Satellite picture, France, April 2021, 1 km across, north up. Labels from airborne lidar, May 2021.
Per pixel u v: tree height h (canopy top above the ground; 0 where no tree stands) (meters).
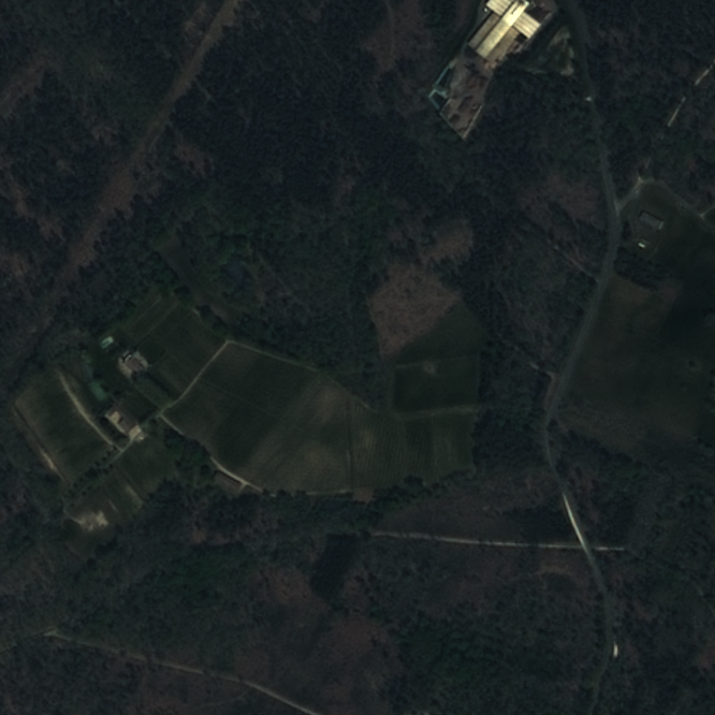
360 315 16
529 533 12
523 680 20
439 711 14
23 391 12
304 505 14
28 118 16
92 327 11
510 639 12
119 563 10
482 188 13
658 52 17
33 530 14
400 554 8
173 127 8
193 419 0
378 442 0
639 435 0
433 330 0
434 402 0
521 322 14
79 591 15
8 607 20
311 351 20
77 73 18
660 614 6
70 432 0
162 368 0
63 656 15
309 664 0
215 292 12
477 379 0
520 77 11
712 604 15
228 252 19
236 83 20
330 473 0
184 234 11
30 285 11
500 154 15
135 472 0
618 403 0
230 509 17
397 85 21
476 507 0
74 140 16
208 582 16
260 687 0
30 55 15
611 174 8
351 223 13
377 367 21
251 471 0
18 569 13
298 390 0
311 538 17
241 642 13
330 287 11
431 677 11
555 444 11
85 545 0
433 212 16
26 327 8
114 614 19
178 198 17
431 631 17
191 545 8
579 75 9
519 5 0
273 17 14
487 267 17
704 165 18
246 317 10
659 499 17
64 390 0
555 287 9
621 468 18
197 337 0
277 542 17
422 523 0
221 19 0
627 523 15
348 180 15
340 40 19
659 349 0
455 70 0
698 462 0
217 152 22
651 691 10
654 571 14
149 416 9
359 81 13
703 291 0
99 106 18
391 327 7
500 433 19
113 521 0
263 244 19
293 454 0
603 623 13
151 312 0
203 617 10
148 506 12
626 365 0
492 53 0
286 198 17
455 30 7
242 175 21
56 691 7
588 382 0
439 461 0
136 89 21
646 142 11
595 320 0
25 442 19
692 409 0
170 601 18
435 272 14
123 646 14
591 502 14
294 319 12
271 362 0
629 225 10
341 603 13
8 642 12
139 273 11
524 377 8
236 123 17
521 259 14
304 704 0
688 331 0
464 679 21
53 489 19
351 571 15
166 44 8
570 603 16
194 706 0
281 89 17
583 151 18
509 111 7
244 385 0
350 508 9
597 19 20
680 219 0
